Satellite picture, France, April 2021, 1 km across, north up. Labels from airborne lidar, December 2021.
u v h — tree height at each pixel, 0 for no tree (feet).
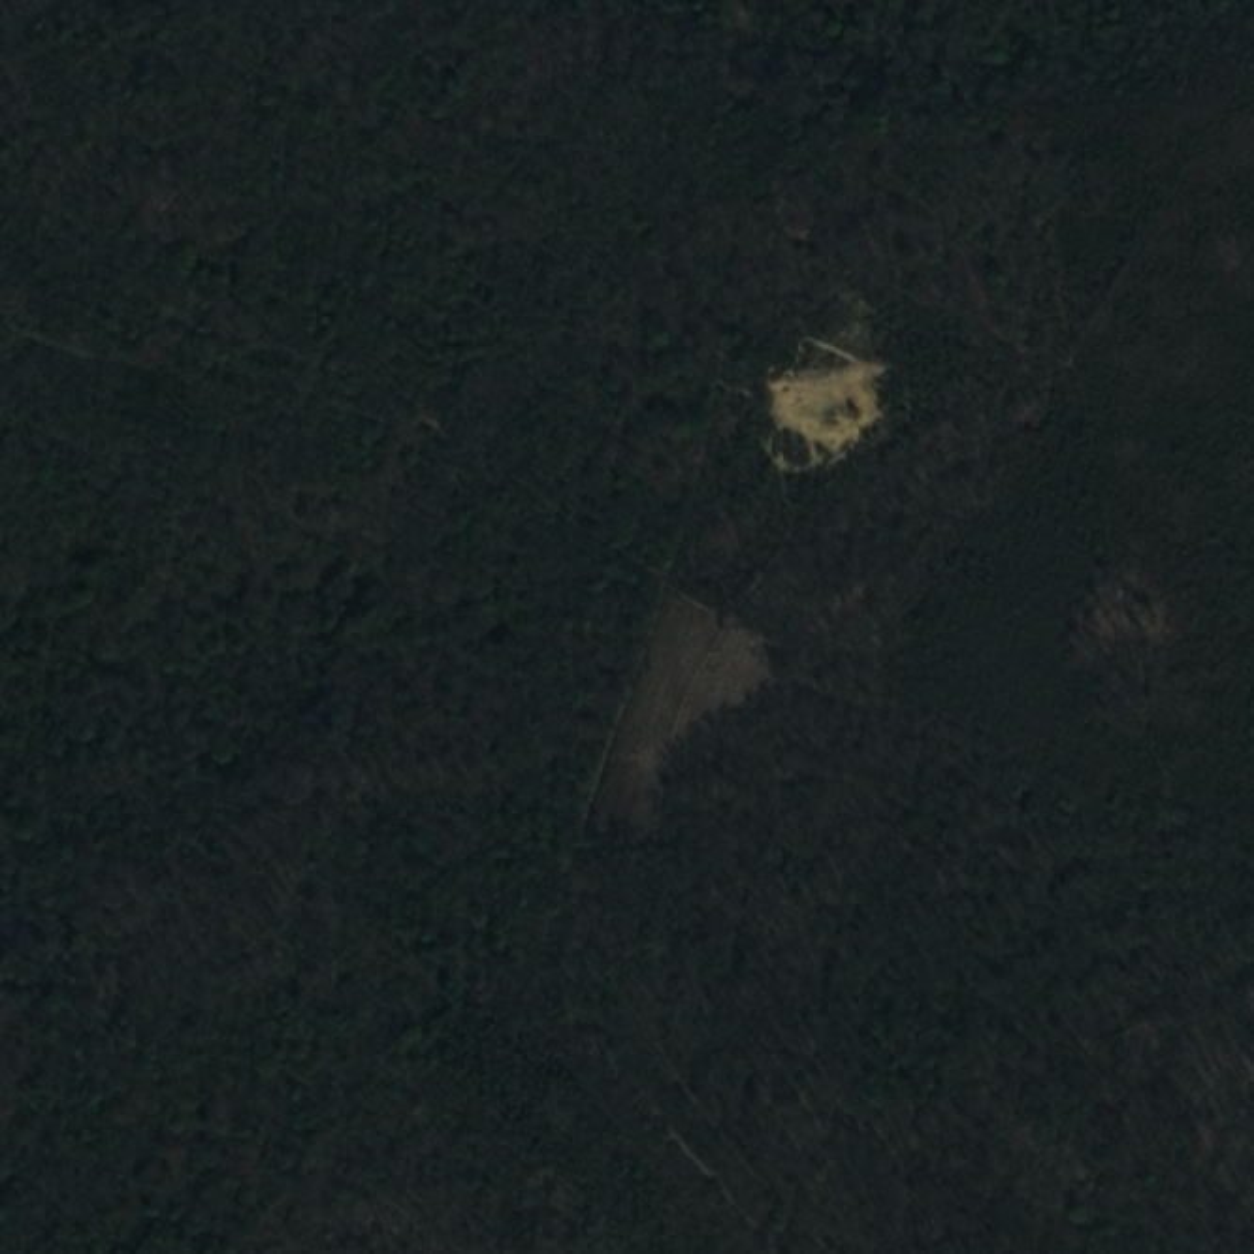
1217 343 27
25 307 53
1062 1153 58
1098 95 49
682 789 41
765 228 73
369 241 66
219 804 65
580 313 72
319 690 41
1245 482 33
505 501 66
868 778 58
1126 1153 73
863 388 0
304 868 83
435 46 70
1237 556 31
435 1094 61
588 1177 62
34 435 77
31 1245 80
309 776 83
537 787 71
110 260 50
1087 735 26
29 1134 69
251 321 96
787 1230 33
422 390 32
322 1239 47
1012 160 71
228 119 75
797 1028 76
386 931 77
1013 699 21
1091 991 90
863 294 18
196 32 63
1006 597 24
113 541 89
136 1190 60
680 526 52
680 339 72
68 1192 69
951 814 47
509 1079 71
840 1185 68
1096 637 53
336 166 76
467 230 96
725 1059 84
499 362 83
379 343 72
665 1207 45
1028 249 66
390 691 83
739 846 31
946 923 92
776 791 49
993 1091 74
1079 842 73
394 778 79
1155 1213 37
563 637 80
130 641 97
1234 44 93
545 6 65
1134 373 27
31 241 60
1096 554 24
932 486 56
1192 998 80
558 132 65
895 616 52
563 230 54
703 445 75
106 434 53
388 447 65
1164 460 25
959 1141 71
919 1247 33
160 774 83
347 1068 73
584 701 46
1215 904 53
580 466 63
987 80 90
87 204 57
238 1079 66
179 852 52
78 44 66
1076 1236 68
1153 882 67
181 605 69
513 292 78
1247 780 32
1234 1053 86
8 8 83
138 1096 64
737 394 30
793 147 66
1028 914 90
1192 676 26
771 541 58
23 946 83
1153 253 32
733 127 60
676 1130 62
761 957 67
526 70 71
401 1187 56
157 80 73
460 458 84
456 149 67
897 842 78
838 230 53
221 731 104
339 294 54
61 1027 53
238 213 89
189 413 63
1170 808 67
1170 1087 69
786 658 50
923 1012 88
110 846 67
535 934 82
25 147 71
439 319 60
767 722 56
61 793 70
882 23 95
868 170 24
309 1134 65
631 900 73
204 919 75
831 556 53
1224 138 32
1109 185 32
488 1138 49
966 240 51
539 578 71
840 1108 72
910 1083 83
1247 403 23
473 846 72
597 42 28
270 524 89
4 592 92
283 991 85
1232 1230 68
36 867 107
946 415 49
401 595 90
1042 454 26
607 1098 66
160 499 50
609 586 57
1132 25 80
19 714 34
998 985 92
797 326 38
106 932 57
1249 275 32
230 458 62
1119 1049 83
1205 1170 72
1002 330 59
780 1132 73
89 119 70
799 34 86
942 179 50
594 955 81
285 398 59
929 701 35
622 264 69
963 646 26
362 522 26
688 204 68
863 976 88
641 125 79
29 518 89
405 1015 67
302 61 72
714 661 0
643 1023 79
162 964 82
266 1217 60
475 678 56
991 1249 59
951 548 41
